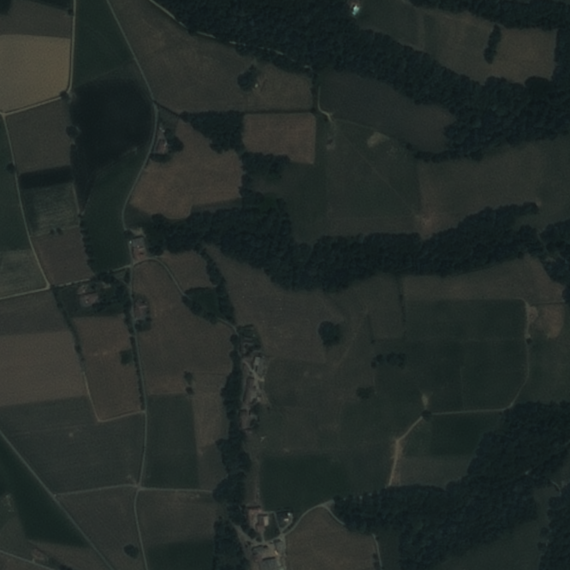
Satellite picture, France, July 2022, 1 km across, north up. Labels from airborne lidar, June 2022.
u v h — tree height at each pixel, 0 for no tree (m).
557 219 0
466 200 0
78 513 0
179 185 0
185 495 0
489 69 0
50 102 0
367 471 0
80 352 12
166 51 0
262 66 0
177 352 0
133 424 0
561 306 0
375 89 0
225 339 0
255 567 0
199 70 0
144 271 0
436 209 0
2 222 0
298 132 0
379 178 0
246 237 19
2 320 0
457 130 27
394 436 0
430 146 0
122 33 0
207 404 0
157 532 0
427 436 0
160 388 0
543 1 18
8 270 0
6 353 0
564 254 14
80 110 0
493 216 22
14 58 0
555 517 14
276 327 0
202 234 12
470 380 0
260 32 20
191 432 0
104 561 0
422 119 0
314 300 0
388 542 0
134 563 0
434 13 0
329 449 0
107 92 0
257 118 0
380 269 12
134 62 0
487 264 12
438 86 29
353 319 0
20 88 0
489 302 0
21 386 0
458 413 0
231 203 0
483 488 29
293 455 0
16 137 0
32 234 0
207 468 0
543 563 9
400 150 0
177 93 0
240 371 13
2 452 0
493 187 0
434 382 0
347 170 0
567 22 25
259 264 25
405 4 0
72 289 0
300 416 0
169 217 0
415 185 0
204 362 0
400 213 0
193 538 0
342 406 0
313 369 0
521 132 26
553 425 14
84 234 12
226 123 19
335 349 0
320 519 0
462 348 0
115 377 0
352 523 34
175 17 7
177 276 0
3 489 0
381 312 0
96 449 0
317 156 0
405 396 0
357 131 0
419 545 28
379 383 0
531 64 0
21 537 0
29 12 0
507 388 0
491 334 0
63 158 0
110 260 0
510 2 16
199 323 0
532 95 11
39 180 0
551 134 18
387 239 19
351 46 13
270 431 0
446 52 0
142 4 0
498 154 0
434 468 0
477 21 0
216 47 0
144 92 0
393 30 0
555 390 0
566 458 15
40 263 0
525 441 23
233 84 0
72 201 0
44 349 0
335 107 0
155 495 0
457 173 0
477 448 0
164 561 0
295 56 21
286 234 18
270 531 0
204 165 0
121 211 0
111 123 0
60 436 0
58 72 0
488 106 6
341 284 16
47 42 0
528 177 0
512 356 0
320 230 0
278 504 0
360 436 0
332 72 0
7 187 0
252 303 0
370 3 0
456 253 25
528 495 23
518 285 0
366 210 0
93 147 0
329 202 0
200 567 0
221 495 23
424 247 22
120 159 0
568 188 0
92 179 0
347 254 22
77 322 0
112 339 0
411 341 0
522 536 0
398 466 0
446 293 0
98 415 0
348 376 0
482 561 0
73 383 0
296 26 12
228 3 28
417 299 0
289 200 0
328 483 0
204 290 9
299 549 0
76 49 0
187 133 0
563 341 0
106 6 0
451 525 33
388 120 0
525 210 21
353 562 0
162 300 0
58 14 0
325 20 22
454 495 25
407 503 34
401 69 14
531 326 0
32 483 0
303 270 9
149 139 0
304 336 0
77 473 0
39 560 0
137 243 0
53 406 0
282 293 0
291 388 0
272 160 11
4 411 0
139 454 0
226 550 26
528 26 8
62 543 0
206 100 0
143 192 0
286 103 0
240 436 16
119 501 0
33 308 0
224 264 0
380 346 0
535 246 13
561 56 18
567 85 23
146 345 0
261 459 0
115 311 0
